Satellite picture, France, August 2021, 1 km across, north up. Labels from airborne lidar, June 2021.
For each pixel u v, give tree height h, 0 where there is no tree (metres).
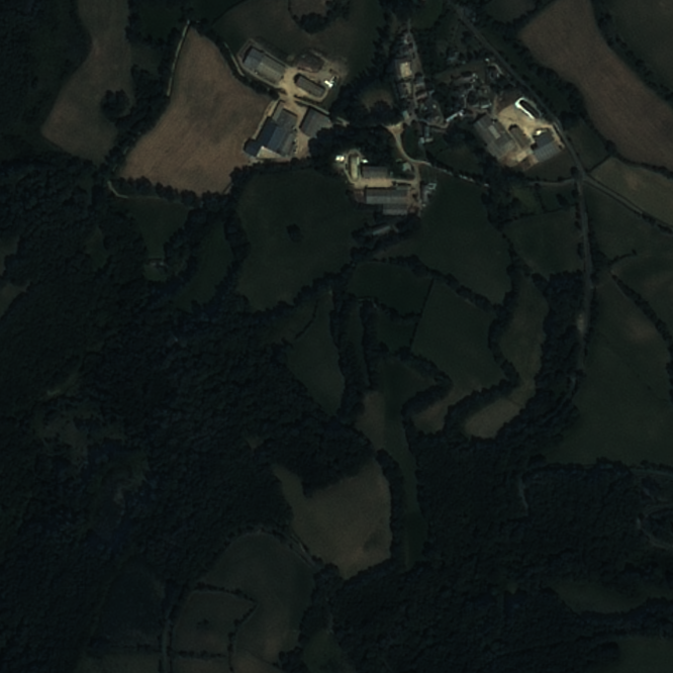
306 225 0
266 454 13
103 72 0
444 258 0
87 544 19
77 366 22
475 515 28
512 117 0
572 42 0
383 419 0
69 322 25
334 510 0
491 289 0
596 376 0
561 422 21
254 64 0
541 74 17
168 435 18
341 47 0
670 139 0
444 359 0
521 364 0
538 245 0
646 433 0
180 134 0
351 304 19
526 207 0
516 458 20
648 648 0
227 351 21
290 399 26
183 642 0
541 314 0
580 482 22
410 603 20
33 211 18
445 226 0
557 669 24
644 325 0
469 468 19
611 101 0
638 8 0
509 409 0
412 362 23
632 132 0
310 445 29
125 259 16
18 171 29
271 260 0
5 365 22
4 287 14
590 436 0
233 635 8
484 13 7
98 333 25
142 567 0
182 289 22
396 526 18
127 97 13
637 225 0
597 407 0
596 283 13
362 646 17
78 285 22
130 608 0
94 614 11
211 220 26
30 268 23
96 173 11
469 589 15
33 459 25
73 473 10
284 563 0
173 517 30
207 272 0
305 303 15
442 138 0
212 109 0
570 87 14
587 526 20
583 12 0
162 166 0
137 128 16
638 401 0
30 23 19
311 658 0
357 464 22
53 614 25
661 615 9
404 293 0
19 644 28
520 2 0
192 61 0
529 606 24
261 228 0
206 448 25
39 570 24
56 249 21
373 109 0
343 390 0
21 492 29
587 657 19
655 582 20
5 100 20
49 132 0
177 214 0
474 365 0
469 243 0
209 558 18
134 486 0
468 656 29
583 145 0
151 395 9
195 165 0
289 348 17
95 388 11
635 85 0
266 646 0
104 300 25
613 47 12
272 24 0
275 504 20
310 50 0
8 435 29
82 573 21
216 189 0
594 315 10
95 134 0
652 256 0
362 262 13
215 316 26
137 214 0
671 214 0
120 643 0
